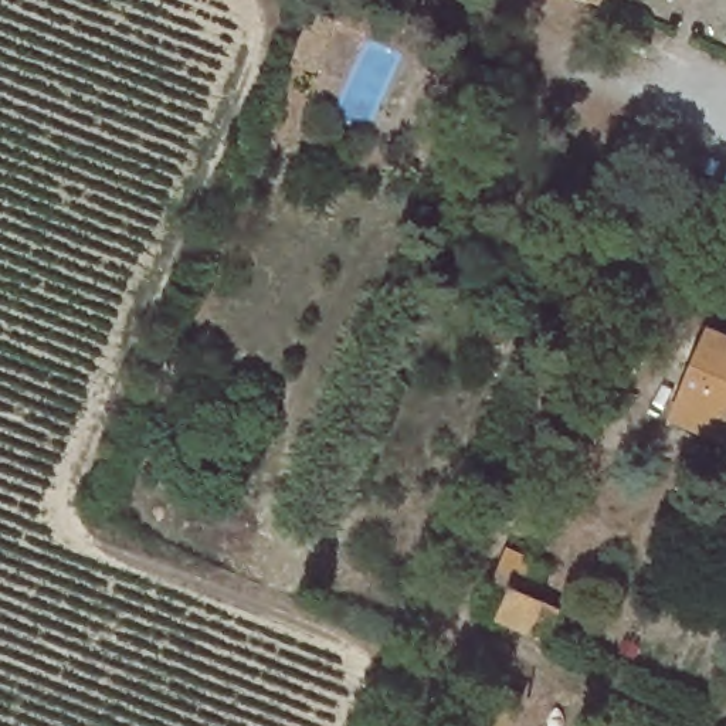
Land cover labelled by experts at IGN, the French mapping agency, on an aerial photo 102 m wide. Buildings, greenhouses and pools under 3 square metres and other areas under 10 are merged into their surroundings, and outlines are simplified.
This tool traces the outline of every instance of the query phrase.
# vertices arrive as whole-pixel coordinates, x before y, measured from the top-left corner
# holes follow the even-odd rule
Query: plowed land
[[[230,20],[235,26],[250,31],[264,23],[258,0],[224,0],[230,6]]]

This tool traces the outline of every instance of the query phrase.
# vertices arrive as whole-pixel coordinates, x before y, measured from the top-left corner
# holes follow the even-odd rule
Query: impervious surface
[[[275,128],[272,136],[275,147],[281,147],[284,153],[295,153],[301,147],[303,108],[309,99],[301,91],[286,94],[286,119]]]
[[[423,96],[428,77],[423,62],[411,54],[400,54],[391,45],[372,40],[360,43],[357,57],[337,96],[349,122],[363,119],[374,122],[380,130],[394,130],[400,122],[414,122],[414,105]]]

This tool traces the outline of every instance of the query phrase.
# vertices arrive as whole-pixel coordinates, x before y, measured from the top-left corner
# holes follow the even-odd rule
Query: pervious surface
[[[675,37],[658,37],[647,45],[638,43],[630,51],[627,65],[618,77],[604,77],[598,71],[581,71],[567,65],[576,23],[587,17],[601,0],[545,0],[545,14],[536,26],[539,60],[547,77],[584,82],[590,88],[587,99],[576,102],[576,113],[587,130],[598,133],[598,142],[607,142],[610,119],[621,113],[621,108],[647,88],[661,88],[678,94],[686,102],[695,102],[703,113],[703,122],[712,128],[712,142],[720,145],[726,139],[726,65],[692,45],[692,26],[703,23],[709,37],[726,37],[726,0],[641,0],[658,17],[681,14],[678,31]]]

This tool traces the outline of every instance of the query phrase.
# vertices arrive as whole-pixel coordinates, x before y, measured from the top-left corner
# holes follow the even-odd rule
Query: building
[[[516,635],[533,630],[539,638],[559,624],[559,607],[516,593],[510,587],[510,579],[499,581],[505,598],[496,610],[496,624]]]
[[[703,340],[695,340],[695,366],[689,369],[686,383],[678,389],[678,400],[666,400],[672,406],[672,414],[664,420],[666,425],[683,425],[689,434],[698,434],[712,420],[726,417],[726,332],[706,329]]]
[[[366,23],[318,17],[309,28],[301,31],[295,43],[286,94],[301,91],[309,99],[320,91],[337,96],[357,57],[360,43],[372,40]]]

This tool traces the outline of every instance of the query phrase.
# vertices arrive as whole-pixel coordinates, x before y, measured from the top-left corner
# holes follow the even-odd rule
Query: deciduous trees
[[[709,37],[703,23],[692,26],[692,45],[726,65],[726,37]]]
[[[630,51],[638,43],[647,45],[658,37],[675,37],[678,31],[681,14],[658,17],[641,0],[601,0],[587,17],[576,23],[567,65],[581,71],[598,71],[604,77],[618,77],[627,65]]]
[[[550,550],[556,547],[556,539],[564,533],[567,522],[596,513],[596,499],[604,485],[598,471],[604,454],[601,440],[607,425],[621,417],[624,408],[632,406],[638,394],[632,372],[644,357],[669,363],[681,346],[678,329],[689,318],[700,320],[695,340],[703,340],[706,329],[726,332],[726,139],[720,145],[712,142],[712,128],[703,122],[703,113],[695,102],[686,102],[678,94],[661,88],[647,88],[621,108],[621,113],[610,119],[607,142],[598,142],[598,133],[587,130],[576,113],[576,102],[587,99],[590,88],[584,82],[547,77],[539,60],[536,26],[545,14],[545,0],[258,0],[264,23],[269,34],[267,54],[241,113],[230,125],[227,150],[221,164],[216,167],[216,176],[227,179],[230,187],[224,196],[210,199],[204,207],[204,230],[227,238],[227,252],[210,247],[182,250],[179,261],[173,264],[170,284],[162,301],[156,301],[156,306],[162,309],[156,320],[162,323],[162,332],[147,343],[145,383],[130,383],[128,377],[122,380],[122,394],[116,397],[125,406],[122,417],[113,417],[105,408],[105,431],[99,440],[96,459],[91,471],[79,479],[74,496],[74,508],[82,525],[96,539],[105,527],[119,527],[150,559],[196,573],[227,570],[227,562],[221,562],[218,556],[167,539],[150,522],[145,522],[133,508],[133,488],[139,491],[164,485],[164,499],[170,508],[190,510],[204,522],[224,525],[230,516],[238,516],[247,499],[250,476],[261,471],[269,445],[284,434],[284,389],[289,380],[301,374],[306,349],[284,349],[284,363],[278,369],[272,369],[261,357],[241,360],[235,357],[235,346],[227,337],[227,332],[213,323],[199,323],[196,312],[207,295],[238,298],[247,286],[252,286],[250,255],[258,238],[272,227],[272,221],[267,218],[269,187],[284,184],[286,201],[309,210],[326,207],[335,196],[346,190],[360,190],[369,199],[374,193],[394,196],[406,204],[406,210],[397,218],[400,224],[391,233],[383,233],[383,238],[394,244],[394,255],[389,258],[386,272],[380,278],[363,281],[369,298],[360,303],[352,320],[352,337],[357,343],[346,346],[337,354],[340,366],[332,369],[329,380],[323,383],[323,397],[318,400],[315,414],[309,420],[301,420],[298,425],[292,445],[292,471],[278,476],[272,491],[275,530],[292,536],[309,553],[303,579],[295,590],[298,610],[343,630],[346,635],[360,641],[363,649],[372,655],[372,664],[357,689],[346,726],[493,726],[502,712],[522,709],[525,689],[533,683],[533,678],[525,675],[522,661],[516,655],[516,635],[496,624],[496,610],[505,598],[499,581],[499,562],[491,556],[496,533],[508,536],[508,547],[522,553],[527,564],[525,576],[510,573],[510,579],[510,587],[516,593],[559,607],[559,624],[539,638],[542,652],[553,664],[567,669],[564,689],[579,692],[584,698],[573,726],[726,726],[726,664],[712,675],[700,678],[678,666],[664,666],[652,655],[624,655],[618,644],[610,641],[604,632],[621,615],[624,601],[632,598],[635,615],[647,621],[658,621],[661,615],[666,615],[692,632],[726,632],[726,417],[712,420],[698,434],[689,434],[681,440],[675,491],[669,491],[661,499],[661,508],[655,513],[655,525],[649,533],[649,562],[638,562],[632,539],[613,536],[573,562],[564,587],[553,590],[547,581],[559,562],[559,556]],[[309,28],[318,17],[366,23],[372,40],[391,45],[400,54],[411,54],[423,62],[428,77],[423,96],[414,105],[414,122],[400,122],[394,130],[380,130],[374,122],[363,119],[349,122],[337,96],[320,91],[309,99],[303,108],[301,147],[295,153],[284,153],[281,147],[275,147],[272,136],[275,128],[286,119],[286,94],[295,43],[301,31]],[[423,499],[431,508],[417,545],[408,553],[400,553],[394,547],[391,522],[357,522],[349,533],[349,556],[360,573],[369,573],[374,579],[363,593],[337,590],[335,536],[340,519],[372,499],[380,499],[386,505],[403,505],[403,499],[417,491],[423,491]]]
[[[618,448],[630,457],[632,468],[641,468],[649,459],[666,462],[666,425],[664,420],[655,417],[644,420],[638,428],[630,428],[621,437]]]

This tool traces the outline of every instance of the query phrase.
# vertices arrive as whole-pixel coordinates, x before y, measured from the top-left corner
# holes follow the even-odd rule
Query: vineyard
[[[130,383],[145,383],[147,343],[162,332],[162,323],[156,320],[162,309],[156,306],[156,301],[162,301],[170,284],[173,264],[179,261],[182,250],[210,247],[227,252],[227,238],[204,230],[204,207],[210,199],[224,196],[230,187],[227,179],[216,176],[216,167],[221,164],[227,150],[230,125],[241,113],[267,54],[269,34],[264,23],[250,31],[235,26],[230,20],[230,6],[224,0],[0,0],[0,726],[346,726],[357,689],[372,664],[372,655],[363,649],[360,641],[346,635],[335,641],[269,615],[241,610],[230,601],[207,598],[196,590],[170,590],[136,573],[119,570],[122,559],[96,539],[82,525],[74,508],[74,496],[79,479],[91,471],[96,459],[99,440],[105,431],[105,408],[113,417],[122,417],[125,406],[116,397],[122,394],[122,380],[128,377]]]

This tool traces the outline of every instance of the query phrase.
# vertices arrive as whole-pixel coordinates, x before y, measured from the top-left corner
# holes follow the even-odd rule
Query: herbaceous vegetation
[[[638,562],[649,562],[649,533],[655,525],[655,513],[661,508],[661,499],[669,491],[675,491],[681,440],[689,434],[683,425],[666,425],[666,462],[649,459],[641,468],[632,468],[630,457],[618,448],[621,437],[630,428],[638,428],[644,420],[655,417],[664,420],[672,414],[672,406],[666,400],[678,400],[678,389],[686,383],[689,369],[695,366],[695,340],[700,320],[689,318],[678,329],[681,346],[669,363],[644,357],[632,372],[638,394],[632,406],[624,408],[621,417],[607,425],[601,440],[604,454],[598,471],[604,485],[596,499],[596,513],[567,522],[564,533],[556,539],[556,547],[550,550],[559,556],[559,562],[547,581],[553,590],[564,587],[573,562],[613,536],[632,539]]]
[[[553,664],[542,652],[539,638],[533,630],[516,635],[516,655],[522,661],[525,675],[533,678],[533,683],[525,689],[522,709],[502,712],[493,726],[573,726],[584,698],[579,692],[564,689],[567,669]]]
[[[499,581],[510,579],[510,573],[525,576],[527,564],[522,553],[508,547],[508,536],[496,533],[491,556],[499,562]]]
[[[403,505],[386,505],[380,499],[372,499],[340,519],[335,536],[337,590],[363,593],[374,579],[369,573],[360,573],[349,556],[349,533],[357,522],[391,522],[394,547],[400,553],[408,553],[417,545],[431,508],[423,499],[423,491],[417,491],[403,499]]]
[[[618,644],[624,655],[652,655],[664,666],[678,666],[700,678],[712,675],[726,664],[726,632],[692,632],[666,615],[661,615],[658,621],[647,621],[635,615],[632,598],[624,601],[621,615],[604,632],[610,641]]]
[[[400,224],[397,218],[406,210],[406,204],[394,196],[374,193],[369,199],[360,190],[346,190],[335,196],[326,207],[309,210],[286,201],[284,184],[269,187],[267,218],[272,221],[272,227],[258,238],[250,255],[252,286],[247,286],[238,298],[207,295],[196,312],[199,323],[213,323],[227,332],[227,337],[235,346],[235,357],[241,360],[261,357],[272,369],[278,369],[284,363],[284,349],[306,349],[301,374],[289,380],[284,389],[284,434],[269,445],[261,471],[250,476],[247,499],[238,516],[230,516],[224,525],[204,522],[190,510],[170,508],[164,499],[164,485],[139,491],[133,488],[133,508],[145,522],[150,522],[167,539],[218,556],[221,562],[227,562],[227,570],[196,573],[150,559],[119,527],[105,527],[96,539],[122,559],[119,570],[136,573],[170,590],[196,590],[207,598],[230,601],[241,610],[269,615],[335,641],[346,635],[343,630],[298,610],[295,590],[303,579],[309,553],[292,536],[275,530],[272,491],[278,476],[292,471],[292,445],[298,425],[301,420],[309,420],[315,414],[318,400],[323,397],[323,383],[329,380],[332,369],[340,366],[337,354],[346,346],[357,343],[352,337],[352,320],[360,303],[369,298],[363,281],[380,278],[386,272],[389,258],[394,255],[394,244],[383,238],[383,233],[391,233]]]

